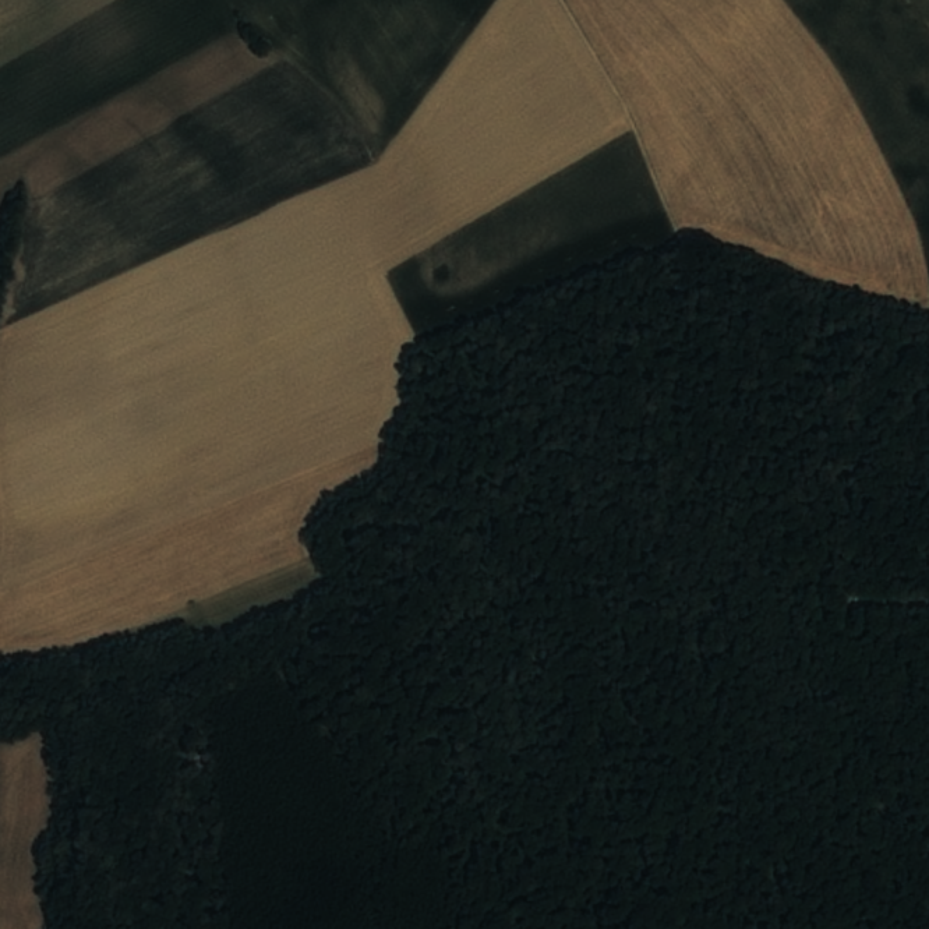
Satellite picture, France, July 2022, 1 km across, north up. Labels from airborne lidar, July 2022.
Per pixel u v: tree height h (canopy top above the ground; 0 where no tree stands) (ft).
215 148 0
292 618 85
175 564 0
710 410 85
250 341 0
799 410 88
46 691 80
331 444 0
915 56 0
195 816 91
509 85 0
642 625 79
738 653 82
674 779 82
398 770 91
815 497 84
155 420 0
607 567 76
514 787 100
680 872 89
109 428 0
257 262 0
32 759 0
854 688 97
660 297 81
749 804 79
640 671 83
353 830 65
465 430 83
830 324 92
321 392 0
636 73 0
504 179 0
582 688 99
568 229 0
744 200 0
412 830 38
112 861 95
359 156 0
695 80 0
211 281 0
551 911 72
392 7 0
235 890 57
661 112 0
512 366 86
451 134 0
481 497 78
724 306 64
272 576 0
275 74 0
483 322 72
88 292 0
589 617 86
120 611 0
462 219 0
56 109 0
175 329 0
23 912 0
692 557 90
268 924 67
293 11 0
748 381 98
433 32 0
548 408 79
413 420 86
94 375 0
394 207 0
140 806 79
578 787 80
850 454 88
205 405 0
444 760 71
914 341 79
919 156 0
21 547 0
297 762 61
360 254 0
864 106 0
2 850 0
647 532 85
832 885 90
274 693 56
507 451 90
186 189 0
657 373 83
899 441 87
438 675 84
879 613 90
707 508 76
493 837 89
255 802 68
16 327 0
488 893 79
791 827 82
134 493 0
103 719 83
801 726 82
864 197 0
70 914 74
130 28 0
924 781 84
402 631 101
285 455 0
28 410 0
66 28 0
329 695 82
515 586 82
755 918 23
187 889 93
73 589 0
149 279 0
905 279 0
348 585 84
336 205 0
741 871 79
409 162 0
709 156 0
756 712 81
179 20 0
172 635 76
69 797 44
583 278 66
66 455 0
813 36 0
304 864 63
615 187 0
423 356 75
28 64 0
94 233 0
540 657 63
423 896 57
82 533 0
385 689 80
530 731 86
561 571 67
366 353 0
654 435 73
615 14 0
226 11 0
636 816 79
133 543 0
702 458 66
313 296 0
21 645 0
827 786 89
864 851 80
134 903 89
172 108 0
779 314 92
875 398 87
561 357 85
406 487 69
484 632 41
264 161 0
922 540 86
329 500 55
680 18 0
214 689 74
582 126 0
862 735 54
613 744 73
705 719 75
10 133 0
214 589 0
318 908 76
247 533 0
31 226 0
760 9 0
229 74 0
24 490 0
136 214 0
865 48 0
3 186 0
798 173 0
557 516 75
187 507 0
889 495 69
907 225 0
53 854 69
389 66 0
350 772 62
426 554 87
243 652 74
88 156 0
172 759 83
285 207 0
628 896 95
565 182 0
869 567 67
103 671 94
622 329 77
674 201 0
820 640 82
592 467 74
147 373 0
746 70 0
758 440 87
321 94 0
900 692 66
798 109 0
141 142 0
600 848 82
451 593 93
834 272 0
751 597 88
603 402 83
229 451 0
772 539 98
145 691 40
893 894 83
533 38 0
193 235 0
